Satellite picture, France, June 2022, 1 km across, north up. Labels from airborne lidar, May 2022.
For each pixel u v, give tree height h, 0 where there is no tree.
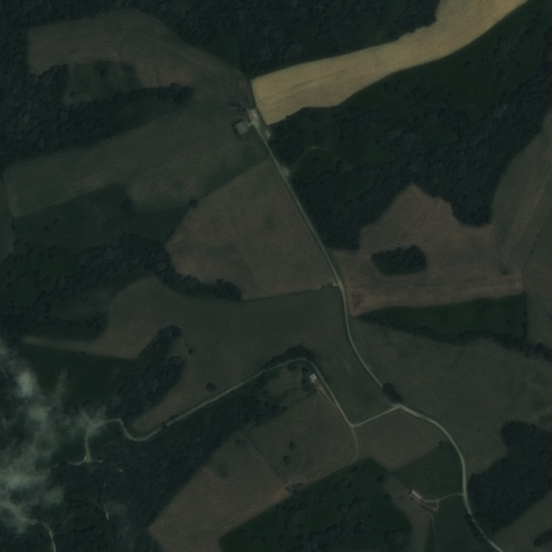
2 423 14
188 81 0
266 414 15
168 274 12
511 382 0
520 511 10
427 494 0
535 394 0
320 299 0
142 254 11
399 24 10
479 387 0
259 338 0
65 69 11
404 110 0
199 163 0
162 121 0
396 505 0
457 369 0
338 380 0
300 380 0
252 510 0
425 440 0
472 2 0
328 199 13
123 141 0
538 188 0
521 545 0
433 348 0
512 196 0
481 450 0
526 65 0
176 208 0
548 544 0
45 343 0
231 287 8
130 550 7
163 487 7
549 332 0
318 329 0
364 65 0
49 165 0
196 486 0
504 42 18
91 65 0
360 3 17
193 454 11
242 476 0
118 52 0
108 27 0
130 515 7
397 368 0
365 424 0
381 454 0
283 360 9
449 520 0
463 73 0
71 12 12
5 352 13
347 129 17
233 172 0
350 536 8
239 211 0
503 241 0
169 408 0
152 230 0
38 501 15
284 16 12
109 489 12
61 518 19
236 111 0
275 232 0
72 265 0
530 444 11
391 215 0
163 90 11
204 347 0
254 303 0
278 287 0
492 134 10
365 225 7
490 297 0
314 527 0
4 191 0
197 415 7
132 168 0
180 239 0
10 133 8
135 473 18
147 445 11
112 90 0
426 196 0
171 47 0
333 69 0
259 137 0
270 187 0
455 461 0
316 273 0
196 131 0
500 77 15
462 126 9
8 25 11
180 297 0
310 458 0
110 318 0
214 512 0
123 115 0
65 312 0
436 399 0
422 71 0
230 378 0
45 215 0
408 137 21
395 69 0
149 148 0
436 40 0
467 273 0
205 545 0
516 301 0
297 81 0
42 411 8
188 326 0
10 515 15
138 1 9
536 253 0
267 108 0
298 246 0
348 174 10
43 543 8
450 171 9
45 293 11
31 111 9
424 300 0
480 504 13
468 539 0
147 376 10
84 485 8
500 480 9
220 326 0
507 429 12
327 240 8
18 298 0
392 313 0
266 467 0
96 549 17
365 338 0
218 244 0
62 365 0
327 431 0
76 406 8
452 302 0
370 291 0
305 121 0
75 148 0
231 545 0
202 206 0
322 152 0
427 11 20
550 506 0
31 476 20
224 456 0
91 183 0
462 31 0
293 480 0
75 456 0
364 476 0
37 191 0
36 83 15
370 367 0
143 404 9
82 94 0
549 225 0
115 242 0
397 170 10
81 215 0
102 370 0
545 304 0
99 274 12
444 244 0
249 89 0
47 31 0
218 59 0
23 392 9
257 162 0
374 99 0
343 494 0
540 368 0
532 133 7
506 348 9
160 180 0
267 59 12
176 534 0
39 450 8
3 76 19
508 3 0
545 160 0
